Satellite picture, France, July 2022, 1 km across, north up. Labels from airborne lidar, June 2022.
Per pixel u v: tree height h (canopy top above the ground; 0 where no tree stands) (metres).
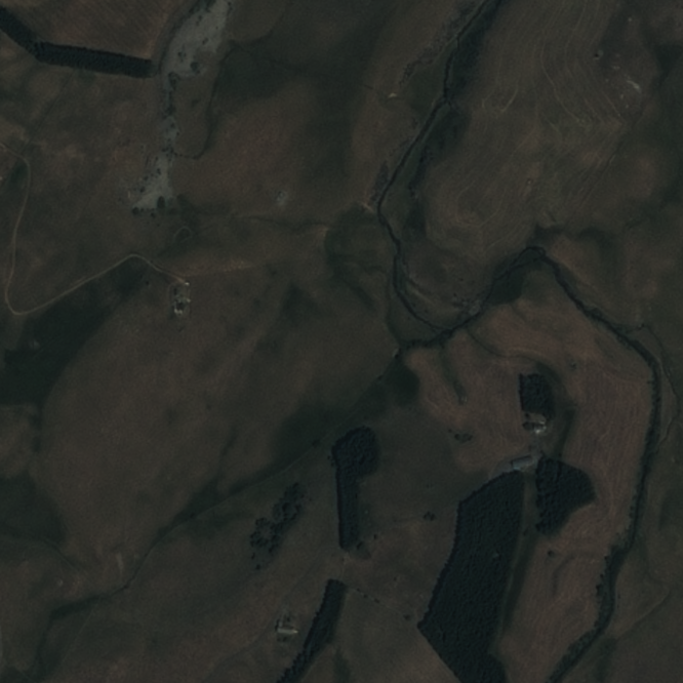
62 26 0
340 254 0
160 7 0
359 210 0
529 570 0
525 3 0
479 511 14
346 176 0
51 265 0
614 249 0
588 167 0
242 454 0
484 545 16
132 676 0
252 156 0
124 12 0
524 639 0
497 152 0
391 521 0
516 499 13
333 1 0
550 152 0
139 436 0
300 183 0
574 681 0
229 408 0
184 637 0
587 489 19
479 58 0
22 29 19
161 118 0
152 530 0
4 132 0
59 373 0
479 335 0
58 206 0
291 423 0
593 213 0
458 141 0
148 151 0
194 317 0
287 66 0
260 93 0
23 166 0
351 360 0
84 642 0
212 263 0
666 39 0
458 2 0
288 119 0
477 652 17
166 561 0
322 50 0
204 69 0
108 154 0
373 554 0
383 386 0
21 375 0
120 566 0
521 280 0
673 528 0
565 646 0
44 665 0
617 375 0
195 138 0
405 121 0
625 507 0
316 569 0
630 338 0
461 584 16
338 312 0
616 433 0
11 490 0
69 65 17
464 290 0
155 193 0
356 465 20
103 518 0
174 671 0
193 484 0
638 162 0
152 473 0
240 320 0
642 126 0
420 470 0
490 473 0
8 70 0
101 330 0
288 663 0
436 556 0
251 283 0
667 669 0
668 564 0
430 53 0
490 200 0
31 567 0
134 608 0
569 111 0
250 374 0
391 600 0
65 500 0
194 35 0
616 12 0
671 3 0
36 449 0
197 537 0
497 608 20
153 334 0
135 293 0
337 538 0
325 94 0
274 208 0
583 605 0
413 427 0
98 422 0
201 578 0
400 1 0
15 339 0
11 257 0
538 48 0
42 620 0
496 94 0
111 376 0
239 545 0
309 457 0
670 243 0
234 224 0
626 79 0
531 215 0
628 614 0
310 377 0
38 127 0
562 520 20
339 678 0
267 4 0
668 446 0
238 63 0
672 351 0
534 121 0
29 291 0
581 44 0
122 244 0
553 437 0
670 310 0
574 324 0
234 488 0
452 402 0
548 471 24
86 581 0
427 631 17
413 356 0
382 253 0
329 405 0
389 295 0
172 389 0
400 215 0
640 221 0
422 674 0
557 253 0
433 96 0
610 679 0
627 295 0
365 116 0
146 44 0
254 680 0
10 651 0
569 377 0
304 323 0
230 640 0
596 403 0
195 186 0
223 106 0
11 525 0
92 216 0
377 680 0
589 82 0
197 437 0
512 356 0
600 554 0
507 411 0
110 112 0
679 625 0
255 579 0
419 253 0
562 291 0
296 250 0
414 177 0
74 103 0
